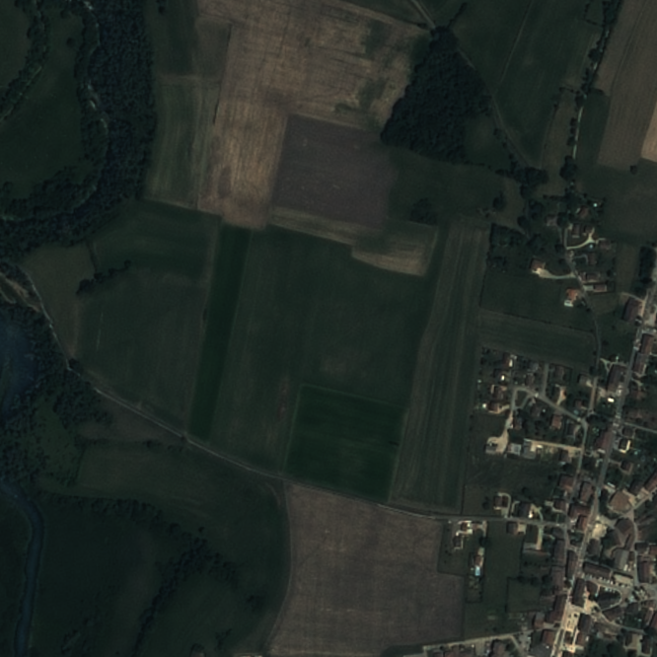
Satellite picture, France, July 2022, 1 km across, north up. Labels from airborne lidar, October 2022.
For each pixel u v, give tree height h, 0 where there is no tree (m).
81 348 0
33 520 0
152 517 15
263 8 0
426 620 0
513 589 0
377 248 0
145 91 18
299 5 0
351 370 0
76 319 0
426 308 0
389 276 0
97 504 15
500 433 0
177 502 0
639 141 0
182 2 0
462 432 0
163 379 0
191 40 0
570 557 0
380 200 0
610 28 6
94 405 16
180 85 0
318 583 0
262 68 0
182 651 0
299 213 0
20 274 27
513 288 0
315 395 0
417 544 0
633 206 0
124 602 0
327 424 0
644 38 0
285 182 0
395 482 0
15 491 0
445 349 0
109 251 0
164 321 0
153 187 0
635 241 0
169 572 7
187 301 0
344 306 0
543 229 0
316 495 0
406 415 0
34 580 0
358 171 0
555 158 0
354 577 0
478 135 0
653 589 0
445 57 11
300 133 0
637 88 0
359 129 0
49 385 17
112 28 26
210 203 0
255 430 0
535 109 0
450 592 0
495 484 0
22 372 0
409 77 0
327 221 0
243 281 0
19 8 12
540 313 0
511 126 0
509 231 15
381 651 0
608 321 0
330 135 0
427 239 0
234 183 0
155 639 0
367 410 0
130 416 0
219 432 0
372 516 0
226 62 0
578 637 0
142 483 0
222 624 0
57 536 0
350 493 0
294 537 0
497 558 0
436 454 0
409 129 13
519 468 0
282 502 0
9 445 8
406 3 0
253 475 0
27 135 0
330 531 0
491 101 12
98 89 22
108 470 0
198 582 0
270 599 0
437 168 0
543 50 0
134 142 30
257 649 0
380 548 0
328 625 0
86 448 6
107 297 0
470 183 0
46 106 0
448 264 0
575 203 22
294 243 0
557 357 0
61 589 0
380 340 0
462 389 0
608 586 0
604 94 9
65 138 0
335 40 0
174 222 0
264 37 0
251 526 0
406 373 0
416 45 0
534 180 22
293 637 0
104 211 22
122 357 0
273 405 0
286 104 0
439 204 0
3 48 0
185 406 0
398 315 0
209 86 0
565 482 0
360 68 0
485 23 0
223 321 0
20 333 0
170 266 0
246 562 0
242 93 0
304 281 0
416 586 0
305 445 0
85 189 16
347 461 0
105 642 0
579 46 0
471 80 18
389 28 0
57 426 0
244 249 0
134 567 0
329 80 0
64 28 0
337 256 0
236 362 0
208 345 0
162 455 0
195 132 0
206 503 0
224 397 0
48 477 8
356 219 0
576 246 0
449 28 6
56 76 0
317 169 0
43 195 13
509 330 0
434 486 0
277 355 0
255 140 0
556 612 0
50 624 0
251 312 0
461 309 0
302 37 0
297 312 0
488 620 0
